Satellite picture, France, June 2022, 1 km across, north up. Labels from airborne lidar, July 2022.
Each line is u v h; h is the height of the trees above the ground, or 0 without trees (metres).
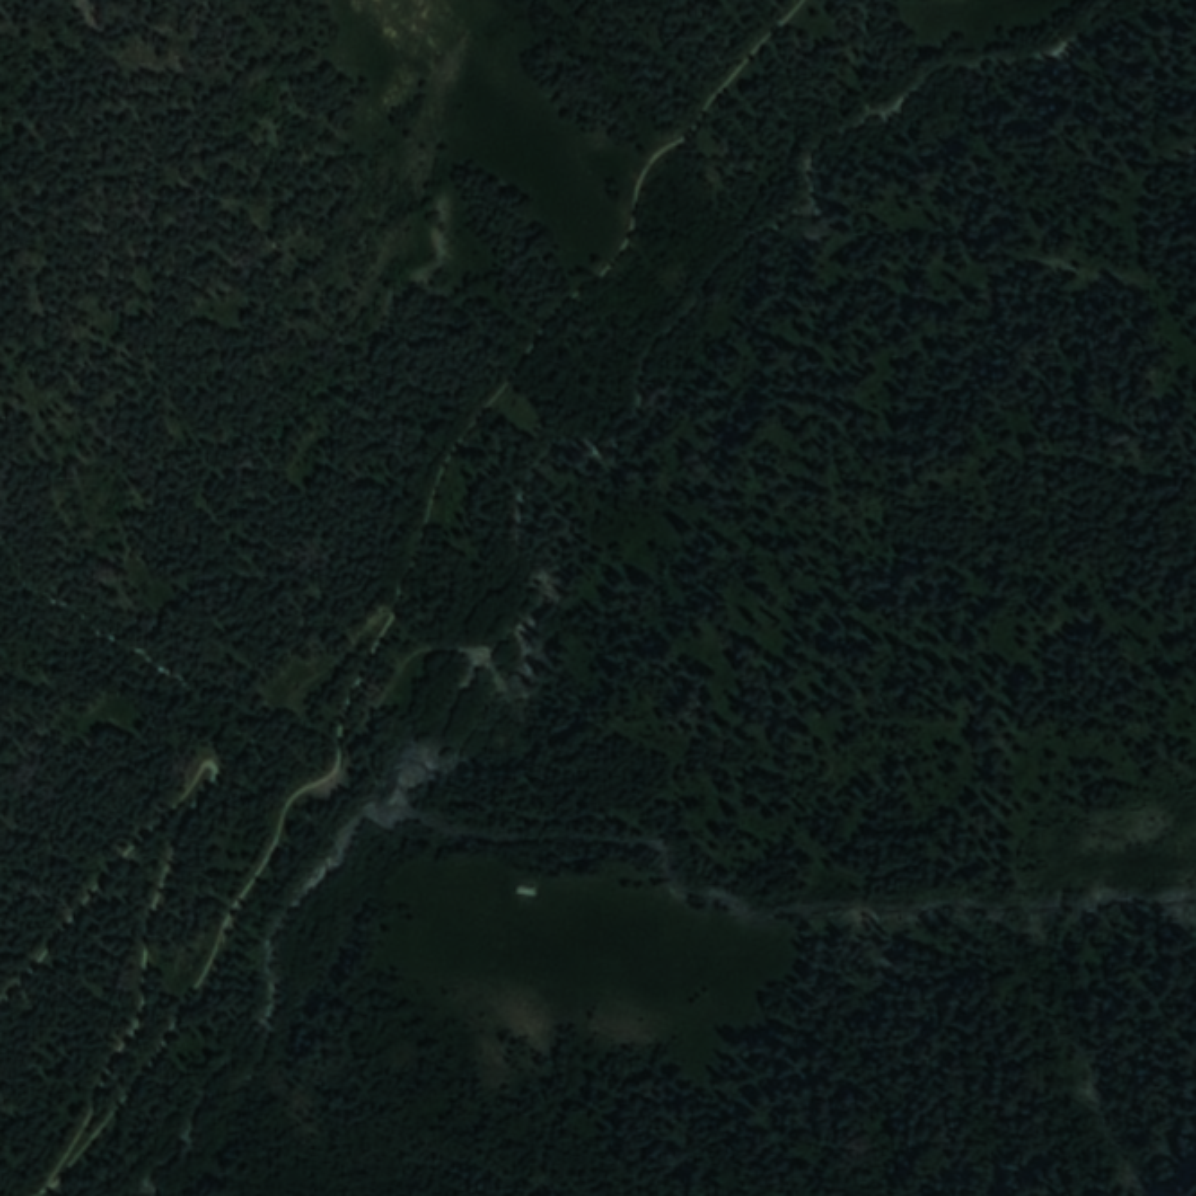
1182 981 30
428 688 14
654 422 10
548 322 14
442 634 13
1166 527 25
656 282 12
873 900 9
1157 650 8
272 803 25
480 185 33
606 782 13
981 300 30
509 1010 0
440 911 0
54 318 21
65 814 30
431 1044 15
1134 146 7
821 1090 21
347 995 14
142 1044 23
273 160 12
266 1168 13
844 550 14
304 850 19
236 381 26
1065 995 12
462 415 19
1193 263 15
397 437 28
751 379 7
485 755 8
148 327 27
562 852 12
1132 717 25
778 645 0
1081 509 21
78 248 22
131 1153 24
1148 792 8
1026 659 0
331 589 24
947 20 0
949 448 27
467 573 12
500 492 8
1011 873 30
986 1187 23
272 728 24
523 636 0
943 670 38
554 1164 10
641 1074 6
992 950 11
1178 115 25
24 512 23
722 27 22
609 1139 15
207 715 13
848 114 16
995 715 32
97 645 15
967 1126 29
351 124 24
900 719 8
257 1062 11
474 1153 12
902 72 14
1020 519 18
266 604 26
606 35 25
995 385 27
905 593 32
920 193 25
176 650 23
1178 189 6
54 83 26
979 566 11
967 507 12
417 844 11
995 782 32
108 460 19
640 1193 10
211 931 11
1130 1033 15
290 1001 17
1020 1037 30
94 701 23
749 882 15
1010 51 15
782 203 19
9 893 28
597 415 13
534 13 13
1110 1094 12
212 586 26
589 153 0
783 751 22
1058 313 25
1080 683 28
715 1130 20
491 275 11
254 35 25
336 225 24
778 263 10
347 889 13
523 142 0
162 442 26
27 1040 25
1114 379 25
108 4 16
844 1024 7
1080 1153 6
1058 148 26
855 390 23
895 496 16
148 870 12
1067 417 27
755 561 9
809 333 29
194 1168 12
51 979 23
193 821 28
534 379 17
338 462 31
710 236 9
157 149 23
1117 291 8
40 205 25
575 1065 9
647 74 19
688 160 14
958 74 11
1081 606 19
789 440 0
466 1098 12
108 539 11
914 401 16
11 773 27
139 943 20
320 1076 14
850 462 10
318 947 15
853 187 7
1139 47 32
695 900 12
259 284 25
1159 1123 27
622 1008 0
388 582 12
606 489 7
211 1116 15
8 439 25
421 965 0
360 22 0
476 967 0
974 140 10
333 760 17
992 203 29
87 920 30
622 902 0
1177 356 8
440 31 0
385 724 29
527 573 13
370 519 25
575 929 0
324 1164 8
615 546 12
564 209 0
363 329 12
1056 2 0
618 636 16
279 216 23
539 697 8
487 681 11
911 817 22
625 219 0
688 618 17
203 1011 24
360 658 14
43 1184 13
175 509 26
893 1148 9
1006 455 15
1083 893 10
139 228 22
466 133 0
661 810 14
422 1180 13
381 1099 16
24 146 16
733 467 18
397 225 9
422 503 13
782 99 27
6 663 9
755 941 0
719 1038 0
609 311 16
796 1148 7
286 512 25
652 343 9
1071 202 13
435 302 25
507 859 14
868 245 20
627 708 8
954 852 28
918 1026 28
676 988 0
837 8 27
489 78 0
